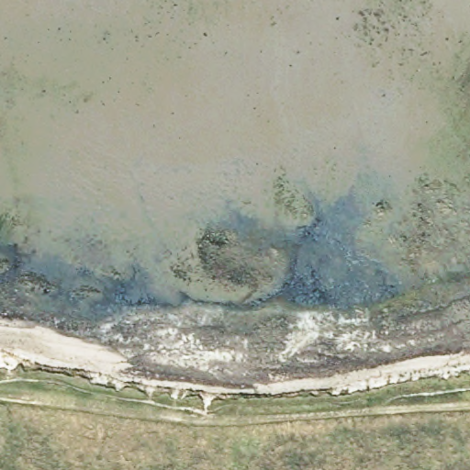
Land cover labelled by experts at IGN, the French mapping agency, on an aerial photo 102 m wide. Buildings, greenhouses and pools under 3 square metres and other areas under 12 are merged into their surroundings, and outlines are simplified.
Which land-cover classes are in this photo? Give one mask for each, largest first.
<instances>
[{"label":"bare soil","instance_id":"1","mask_svg":"<svg viewBox=\"0 0 470 470\"><path fill-rule=\"evenodd\" d=\"M33 362L51 367H75L86 369V373L92 376V380L97 384L123 387L125 382H138L143 389H147V393H154L156 387H173V398H178L180 389H196L202 391L204 397L213 398L218 397L220 393H237L241 398H248L250 395L252 398H259L261 393H283L319 387H330L336 395L341 391H358L365 387H382L395 382L419 380L420 376L439 375L448 378L457 375L459 371L470 369V0H0V367L15 369L18 364L31 365Z\"/></svg>","mask_w":470,"mask_h":470},{"label":"herbaceous vegetation","instance_id":"2","mask_svg":"<svg viewBox=\"0 0 470 470\"><path fill-rule=\"evenodd\" d=\"M470 402V369L459 371L457 375L448 378L439 375L420 376L419 380L395 382L382 387H365L358 391H341L336 395L330 387H319L283 393H261L259 398H252L250 395L248 398H241L237 393H220L218 397L213 398L209 404V413L215 417L209 424H187L160 419V413L167 411V406H193L202 409L204 397L202 391L196 389H180L178 398H173V387H156L154 393H147V389H143L138 382H125L123 387L97 384L92 380V376L86 373V369L75 367H51L33 362L31 365L18 364L15 369L0 367V470H470V409L330 417L325 419V422H336V430L316 435H270L263 448V455L242 453L237 439L228 435V430L261 428L264 426V420L248 422V417L321 413L373 406Z\"/></svg>","mask_w":470,"mask_h":470},{"label":"pervious surface","instance_id":"3","mask_svg":"<svg viewBox=\"0 0 470 470\"><path fill-rule=\"evenodd\" d=\"M213 398L204 397L202 409L193 406H167V411L160 413V419L187 424H209L215 417L209 413V404ZM470 409V402L373 406L321 413L248 417V422L264 420V426L261 428L228 430V435L237 439L242 453L263 455V448L270 435H316L336 430V422H325V419L330 417Z\"/></svg>","mask_w":470,"mask_h":470}]
</instances>
